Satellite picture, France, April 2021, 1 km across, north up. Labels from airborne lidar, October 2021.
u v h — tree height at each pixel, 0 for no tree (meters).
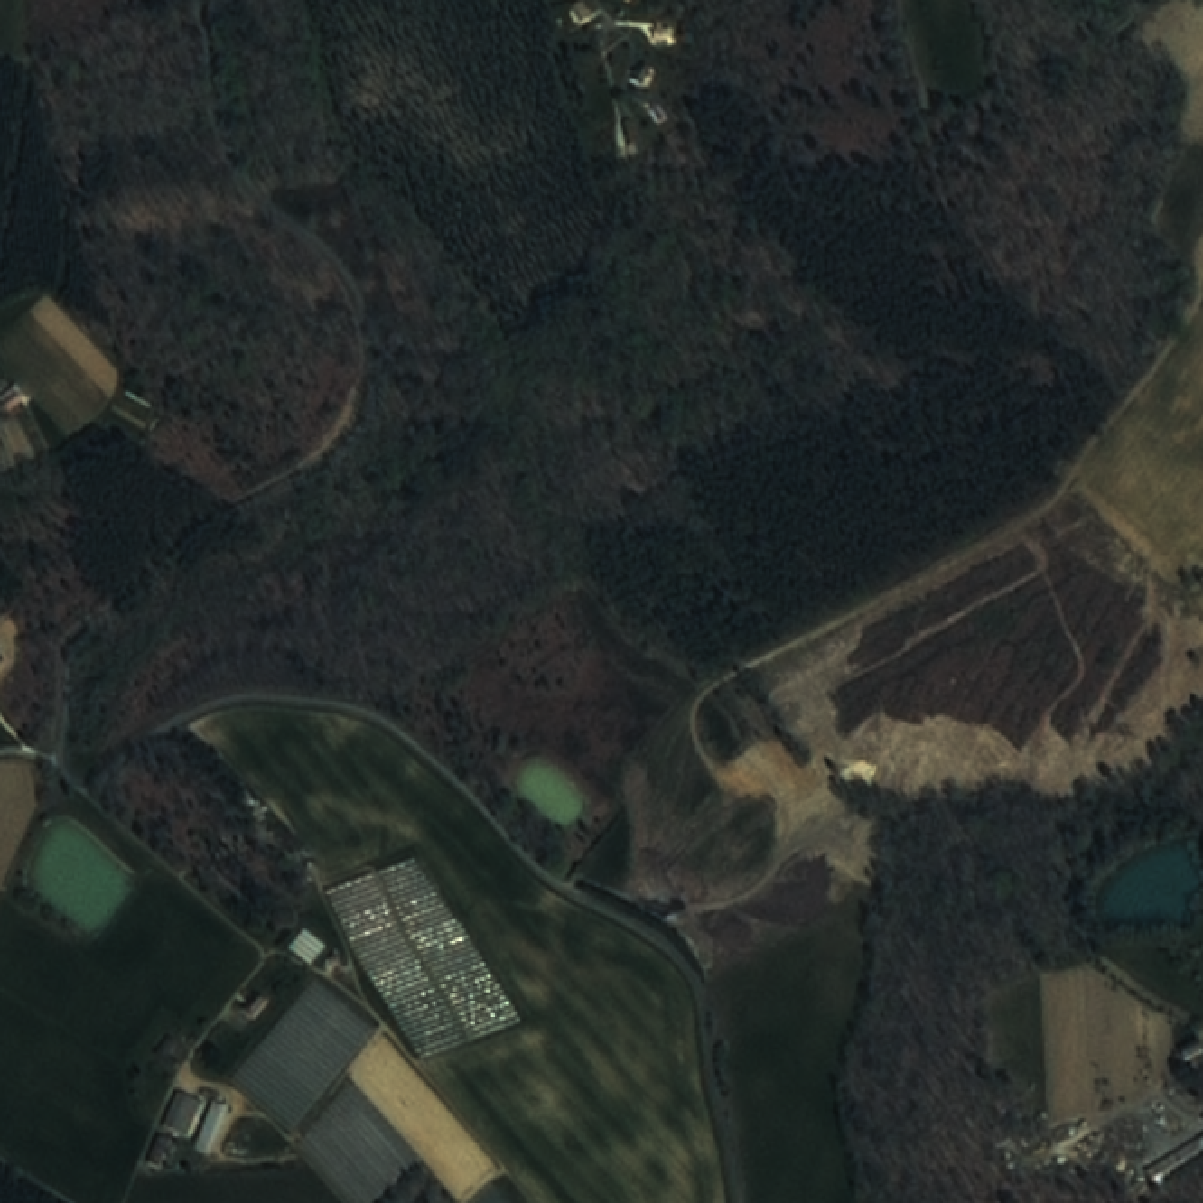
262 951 0
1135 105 15
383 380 23
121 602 17
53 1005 0
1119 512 0
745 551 23
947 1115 17
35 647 12
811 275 23
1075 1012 0
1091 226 14
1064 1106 0
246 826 10
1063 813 19
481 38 16
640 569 20
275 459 9
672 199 14
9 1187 11
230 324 20
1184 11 0
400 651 19
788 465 27
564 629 12
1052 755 0
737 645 22
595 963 0
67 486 15
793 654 0
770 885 0
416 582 18
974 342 25
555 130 15
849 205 24
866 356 15
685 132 9
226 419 8
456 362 13
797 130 7
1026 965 19
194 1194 0
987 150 17
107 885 0
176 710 10
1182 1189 16
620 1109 0
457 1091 0
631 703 0
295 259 24
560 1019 0
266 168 22
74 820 0
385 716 9
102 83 15
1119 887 0
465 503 20
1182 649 0
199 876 17
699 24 9
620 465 18
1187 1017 0
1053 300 15
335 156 15
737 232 14
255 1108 0
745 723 8
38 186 10
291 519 20
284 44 18
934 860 20
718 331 18
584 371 19
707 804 0
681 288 16
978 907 8
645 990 0
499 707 0
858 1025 17
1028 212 19
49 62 18
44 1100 0
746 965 0
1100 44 23
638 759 0
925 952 21
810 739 0
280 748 0
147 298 15
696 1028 0
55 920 12
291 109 23
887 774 0
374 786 0
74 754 17
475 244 15
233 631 10
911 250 22
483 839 0
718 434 15
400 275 24
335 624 16
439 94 10
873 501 26
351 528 16
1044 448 22
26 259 9
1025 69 17
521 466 24
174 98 21
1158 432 0
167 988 0
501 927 0
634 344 21
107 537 21
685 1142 0
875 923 21
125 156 19
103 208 23
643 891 0
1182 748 20
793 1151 0
